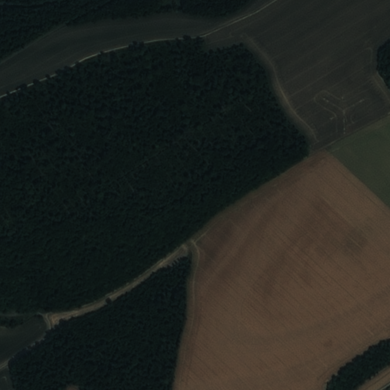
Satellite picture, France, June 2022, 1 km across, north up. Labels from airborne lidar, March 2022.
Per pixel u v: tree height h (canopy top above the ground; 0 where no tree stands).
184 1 23
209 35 0
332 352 0
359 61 0
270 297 0
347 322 0
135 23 0
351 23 0
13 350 0
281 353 0
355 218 0
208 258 0
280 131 17
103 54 14
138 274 9
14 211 16
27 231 16
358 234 0
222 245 0
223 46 0
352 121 0
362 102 0
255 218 0
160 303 22
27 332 0
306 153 13
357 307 0
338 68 0
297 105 0
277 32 0
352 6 0
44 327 0
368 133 0
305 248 0
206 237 0
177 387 0
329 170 0
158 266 0
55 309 15
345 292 0
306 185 0
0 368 0
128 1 22
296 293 0
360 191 0
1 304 10
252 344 0
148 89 9
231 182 17
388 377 0
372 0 0
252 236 0
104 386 17
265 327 0
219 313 0
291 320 0
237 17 0
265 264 0
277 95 0
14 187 20
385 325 0
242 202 0
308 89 0
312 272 0
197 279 0
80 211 13
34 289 25
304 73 0
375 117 0
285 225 0
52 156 15
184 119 20
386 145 0
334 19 0
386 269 0
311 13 0
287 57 0
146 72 24
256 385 0
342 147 0
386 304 0
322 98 0
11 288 14
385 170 0
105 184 15
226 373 0
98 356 14
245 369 0
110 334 6
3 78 0
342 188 0
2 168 17
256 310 0
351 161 0
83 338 6
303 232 0
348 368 14
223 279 0
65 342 26
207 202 16
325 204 0
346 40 0
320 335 0
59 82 20
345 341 0
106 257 17
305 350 0
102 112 20
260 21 0
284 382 0
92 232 16
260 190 0
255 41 0
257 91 20
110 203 18
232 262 0
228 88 24
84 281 17
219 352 0
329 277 0
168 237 17
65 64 0
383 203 0
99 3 15
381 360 16
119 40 0
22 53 0
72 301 17
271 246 0
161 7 16
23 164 20
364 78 0
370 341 0
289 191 0
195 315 0
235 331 0
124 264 24
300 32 0
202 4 23
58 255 20
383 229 0
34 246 19
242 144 15
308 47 0
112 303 18
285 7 0
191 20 0
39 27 21
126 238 17
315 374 0
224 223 0
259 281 0
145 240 20
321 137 0
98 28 0
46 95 24
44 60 0
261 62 0
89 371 20
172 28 0
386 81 11
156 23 0
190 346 0
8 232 14
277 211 0
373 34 0
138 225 13
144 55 23
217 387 0
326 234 0
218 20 0
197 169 19
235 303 0
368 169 0
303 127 0
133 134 11
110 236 17
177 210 17
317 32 0
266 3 0
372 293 0
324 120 0
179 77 17
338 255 0
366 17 0
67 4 19
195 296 0
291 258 0
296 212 0
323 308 0
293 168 0
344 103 0
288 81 0
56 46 0
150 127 19
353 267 0
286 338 0
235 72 21
